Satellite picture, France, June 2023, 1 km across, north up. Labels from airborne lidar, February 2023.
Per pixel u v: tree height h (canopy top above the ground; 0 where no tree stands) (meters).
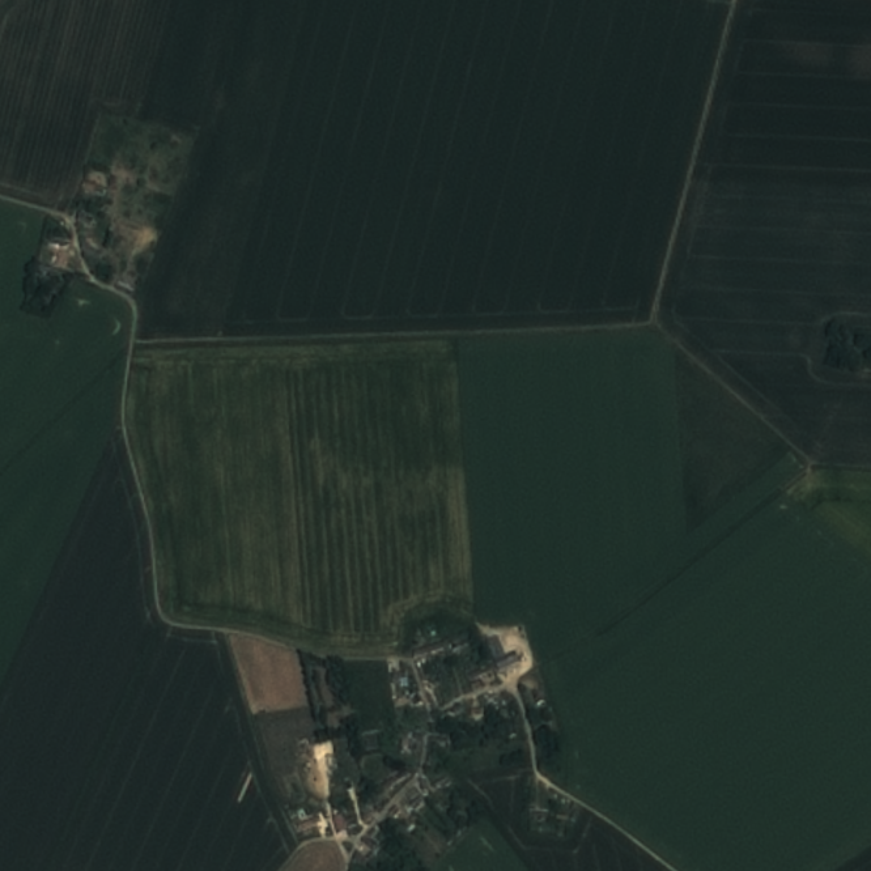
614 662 0
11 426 0
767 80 0
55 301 9
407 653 0
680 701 0
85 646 0
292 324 0
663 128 0
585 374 0
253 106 0
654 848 0
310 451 0
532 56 0
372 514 0
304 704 0
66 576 0
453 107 0
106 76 0
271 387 0
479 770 0
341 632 0
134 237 0
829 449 0
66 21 0
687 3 0
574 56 0
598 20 0
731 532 0
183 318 0
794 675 0
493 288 0
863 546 0
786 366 0
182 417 0
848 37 0
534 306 0
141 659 0
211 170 0
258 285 0
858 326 0
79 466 0
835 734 0
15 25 0
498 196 0
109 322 0
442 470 0
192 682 0
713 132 0
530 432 0
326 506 0
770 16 0
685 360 0
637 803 0
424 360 0
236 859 0
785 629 0
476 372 0
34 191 0
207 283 0
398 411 0
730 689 0
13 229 0
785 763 0
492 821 0
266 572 0
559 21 0
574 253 0
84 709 0
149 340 0
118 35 0
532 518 0
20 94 0
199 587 0
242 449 0
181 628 0
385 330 0
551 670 0
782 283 0
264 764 0
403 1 0
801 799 0
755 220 0
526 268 0
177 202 0
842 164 0
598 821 0
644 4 0
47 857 0
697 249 0
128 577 0
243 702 0
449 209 0
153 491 0
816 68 0
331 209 0
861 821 0
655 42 0
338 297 0
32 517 0
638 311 0
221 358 0
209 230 0
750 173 0
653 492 0
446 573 0
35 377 0
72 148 0
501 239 0
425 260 0
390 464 0
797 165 0
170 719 0
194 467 0
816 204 0
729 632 0
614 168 0
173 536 0
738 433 0
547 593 0
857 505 0
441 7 0
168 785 0
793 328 0
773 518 0
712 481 0
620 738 0
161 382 0
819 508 0
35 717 0
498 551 0
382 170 0
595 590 0
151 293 0
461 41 0
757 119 0
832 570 0
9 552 0
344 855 0
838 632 0
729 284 0
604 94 0
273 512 0
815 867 0
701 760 0
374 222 0
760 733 0
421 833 7
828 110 0
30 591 0
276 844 0
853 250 0
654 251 0
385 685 0
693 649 0
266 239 0
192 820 0
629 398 0
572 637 0
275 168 0
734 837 0
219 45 0
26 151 0
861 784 0
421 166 0
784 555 0
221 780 0
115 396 0
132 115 0
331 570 0
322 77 0
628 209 0
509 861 0
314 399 0
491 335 0
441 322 0
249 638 0
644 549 0
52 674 0
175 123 0
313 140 0
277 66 0
